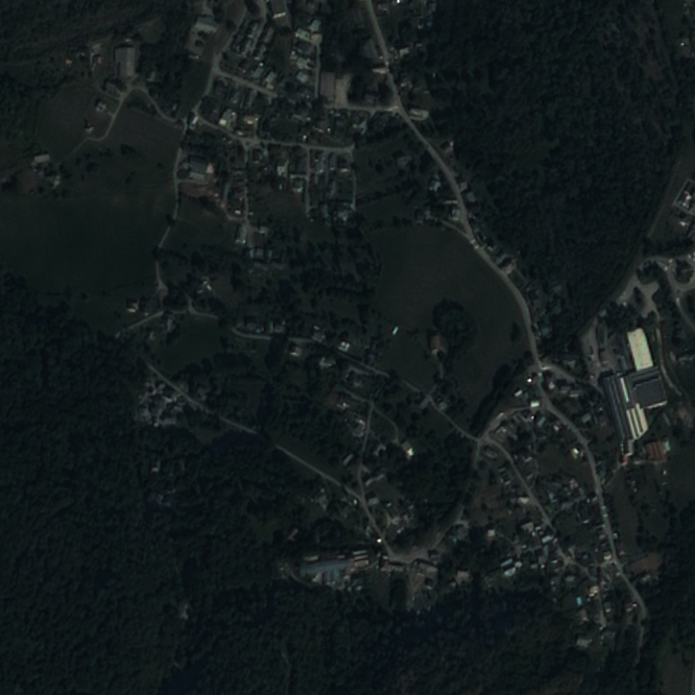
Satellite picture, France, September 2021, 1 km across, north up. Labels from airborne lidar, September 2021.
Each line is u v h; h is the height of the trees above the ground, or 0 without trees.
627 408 0
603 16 13
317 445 12
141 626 25
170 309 11
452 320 20
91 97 0
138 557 22
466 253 0
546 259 17
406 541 16
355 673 33
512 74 28
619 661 15
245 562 24
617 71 12
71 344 26
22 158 0
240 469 22
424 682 13
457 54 26
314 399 13
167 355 0
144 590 26
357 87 12
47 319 13
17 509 29
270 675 15
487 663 15
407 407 11
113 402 23
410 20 6
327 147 0
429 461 12
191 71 15
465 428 0
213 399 6
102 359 21
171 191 0
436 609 0
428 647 17
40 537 24
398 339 0
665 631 25
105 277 0
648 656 20
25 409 29
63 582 32
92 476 30
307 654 20
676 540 14
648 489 0
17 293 34
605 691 24
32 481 27
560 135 20
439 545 0
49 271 0
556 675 9
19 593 27
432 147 0
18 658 30
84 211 0
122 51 0
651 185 15
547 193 9
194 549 20
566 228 20
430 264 0
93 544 23
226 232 0
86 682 31
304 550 20
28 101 22
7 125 17
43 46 6
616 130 19
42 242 0
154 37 0
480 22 12
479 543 22
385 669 19
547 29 18
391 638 20
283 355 15
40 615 26
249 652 19
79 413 30
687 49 0
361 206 10
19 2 13
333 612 23
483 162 25
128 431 23
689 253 10
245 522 17
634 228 21
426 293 0
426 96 0
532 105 27
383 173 11
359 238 16
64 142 0
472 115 27
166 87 14
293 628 17
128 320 0
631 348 0
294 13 14
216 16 11
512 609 11
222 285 0
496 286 0
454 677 8
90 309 0
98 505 18
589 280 22
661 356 0
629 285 0
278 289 0
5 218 0
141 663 23
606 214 28
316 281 15
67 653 26
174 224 18
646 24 11
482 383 0
